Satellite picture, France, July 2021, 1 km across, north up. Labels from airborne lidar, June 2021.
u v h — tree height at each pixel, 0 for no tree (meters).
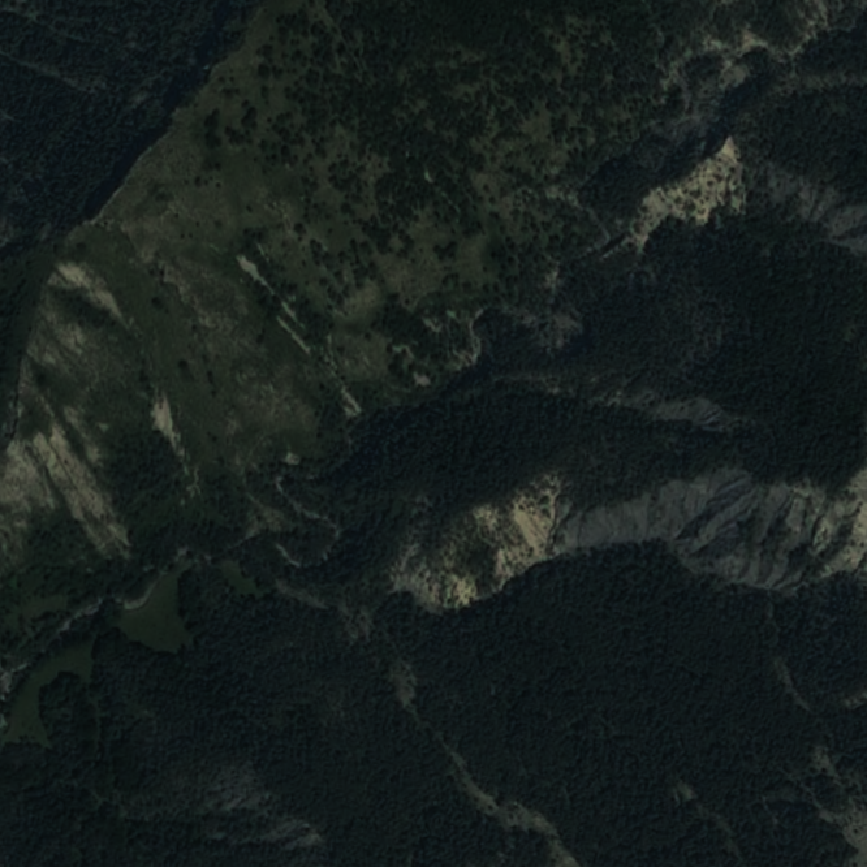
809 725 14
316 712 9
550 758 14
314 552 15
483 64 7
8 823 14
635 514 0
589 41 8
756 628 15
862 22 15
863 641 10
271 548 11
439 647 14
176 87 6
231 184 0
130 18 13
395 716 12
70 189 13
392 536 9
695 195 6
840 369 17
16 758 16
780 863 17
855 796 6
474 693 10
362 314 0
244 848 16
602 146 15
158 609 0
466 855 16
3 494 0
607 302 13
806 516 7
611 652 14
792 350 13
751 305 14
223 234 0
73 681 17
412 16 8
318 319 10
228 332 0
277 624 14
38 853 16
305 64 9
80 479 0
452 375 8
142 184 0
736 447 14
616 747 16
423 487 8
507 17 11
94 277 0
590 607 14
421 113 7
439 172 8
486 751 16
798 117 16
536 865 14
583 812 13
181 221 0
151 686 11
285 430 0
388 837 20
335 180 8
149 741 7
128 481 13
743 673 18
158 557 15
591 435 11
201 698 13
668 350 8
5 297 7
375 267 9
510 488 7
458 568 9
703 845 18
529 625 18
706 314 9
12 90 14
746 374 12
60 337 0
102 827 20
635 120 7
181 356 0
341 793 16
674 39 10
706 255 15
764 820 13
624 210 9
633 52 18
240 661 12
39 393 0
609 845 18
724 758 15
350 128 8
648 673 16
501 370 11
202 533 12
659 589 18
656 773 20
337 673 14
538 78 11
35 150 14
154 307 11
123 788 17
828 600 7
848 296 17
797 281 17
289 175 0
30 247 11
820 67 13
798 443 17
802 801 13
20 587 12
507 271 7
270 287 7
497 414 14
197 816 6
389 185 9
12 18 9
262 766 11
